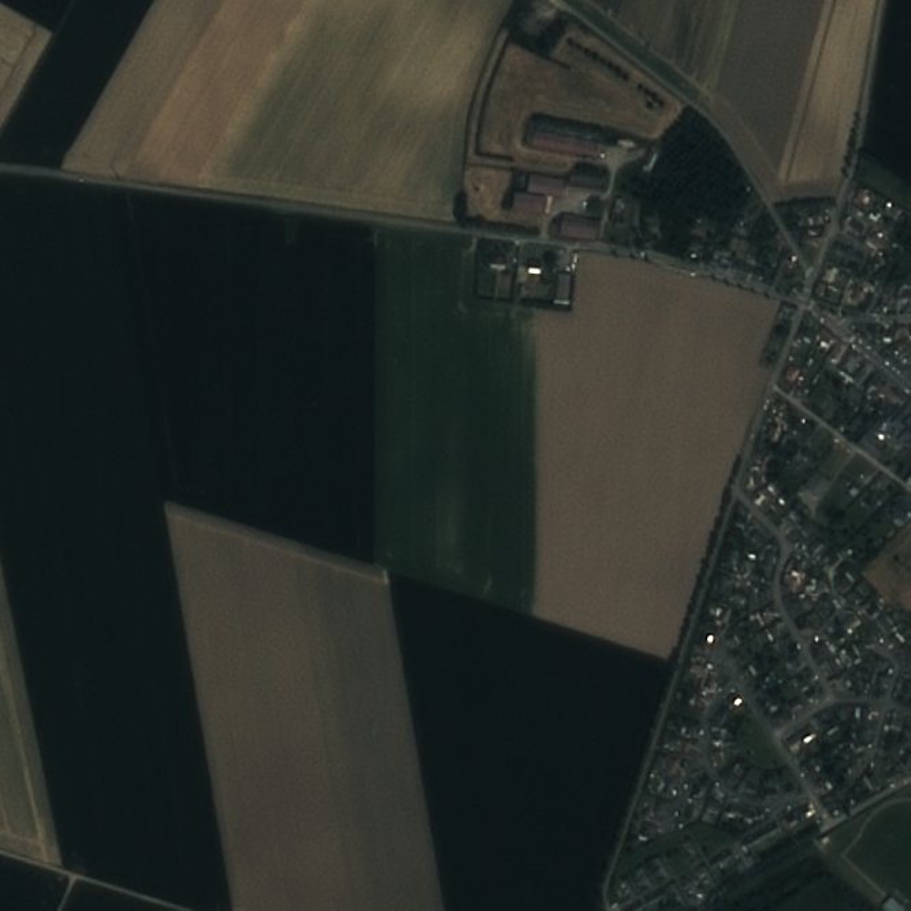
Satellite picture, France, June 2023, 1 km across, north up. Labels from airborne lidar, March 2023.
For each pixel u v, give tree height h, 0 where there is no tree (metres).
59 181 0
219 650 0
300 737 0
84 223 0
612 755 0
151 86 0
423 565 0
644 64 0
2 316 0
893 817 0
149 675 0
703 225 0
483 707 0
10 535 0
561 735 0
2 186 0
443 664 0
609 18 0
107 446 0
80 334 0
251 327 0
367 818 0
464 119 0
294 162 0
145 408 0
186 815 0
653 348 0
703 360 0
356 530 0
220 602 0
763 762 0
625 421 0
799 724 0
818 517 0
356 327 0
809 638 0
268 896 0
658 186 8
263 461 0
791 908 0
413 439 0
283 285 0
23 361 0
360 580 0
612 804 0
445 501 0
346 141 0
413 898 0
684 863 0
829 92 0
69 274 0
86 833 0
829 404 0
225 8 0
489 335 0
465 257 0
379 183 0
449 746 0
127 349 0
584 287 0
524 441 0
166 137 0
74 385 0
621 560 0
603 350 0
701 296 0
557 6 0
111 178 0
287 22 0
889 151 0
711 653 0
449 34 0
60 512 0
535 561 0
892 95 0
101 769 0
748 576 0
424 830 0
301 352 0
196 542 0
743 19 0
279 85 0
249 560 0
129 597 0
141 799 0
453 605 0
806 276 0
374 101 0
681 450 0
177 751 0
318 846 0
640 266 0
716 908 6
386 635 0
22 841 0
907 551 0
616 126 0
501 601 0
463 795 0
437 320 0
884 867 0
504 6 0
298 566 0
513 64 0
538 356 0
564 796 0
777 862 9
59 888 0
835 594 0
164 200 0
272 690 0
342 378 0
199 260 0
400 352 0
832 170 0
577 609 0
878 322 0
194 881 0
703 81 0
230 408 0
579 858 0
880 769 0
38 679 0
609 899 0
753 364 0
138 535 0
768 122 0
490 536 0
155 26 0
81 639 0
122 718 0
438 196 0
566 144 0
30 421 0
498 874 0
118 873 0
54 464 0
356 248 0
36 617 0
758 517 0
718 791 0
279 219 0
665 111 0
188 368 0
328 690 0
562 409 0
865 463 0
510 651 0
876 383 0
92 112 0
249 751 0
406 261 0
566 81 0
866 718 0
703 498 0
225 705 0
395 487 0
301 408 0
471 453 0
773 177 0
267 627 0
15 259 0
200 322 0
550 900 0
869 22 0
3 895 0
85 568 0
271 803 0
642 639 0
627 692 0
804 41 0
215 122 0
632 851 7
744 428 0
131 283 0
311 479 0
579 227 0
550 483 0
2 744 0
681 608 0
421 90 0
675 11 0
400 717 0
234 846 0
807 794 0
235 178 0
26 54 0
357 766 0
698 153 7
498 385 0
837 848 0
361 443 0
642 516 0
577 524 0
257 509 0
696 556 0
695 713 0
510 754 0
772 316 0
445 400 0
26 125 0
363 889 0
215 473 0
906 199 0
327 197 0
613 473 0
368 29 0
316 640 0
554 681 0
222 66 0
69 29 0
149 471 0
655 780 0
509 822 0
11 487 0
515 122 0
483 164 0
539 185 0
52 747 0
